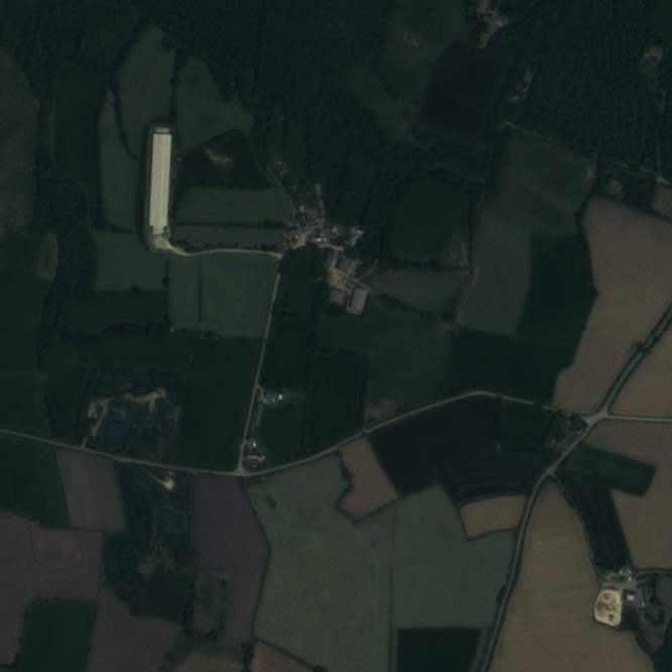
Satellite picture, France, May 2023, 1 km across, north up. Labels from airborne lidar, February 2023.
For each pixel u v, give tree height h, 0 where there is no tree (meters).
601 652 0
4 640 0
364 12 11
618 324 0
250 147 0
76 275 12
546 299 0
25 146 0
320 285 8
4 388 0
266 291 0
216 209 0
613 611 0
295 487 0
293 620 0
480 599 0
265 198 0
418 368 0
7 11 17
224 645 0
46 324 8
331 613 0
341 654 0
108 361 0
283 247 5
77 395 0
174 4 19
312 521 0
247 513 0
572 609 0
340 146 0
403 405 0
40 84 24
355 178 0
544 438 6
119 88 8
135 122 0
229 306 0
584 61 11
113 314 0
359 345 0
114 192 0
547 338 0
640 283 0
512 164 0
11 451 0
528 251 0
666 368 0
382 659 0
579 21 13
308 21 15
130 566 6
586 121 13
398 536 0
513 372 0
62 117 0
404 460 0
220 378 0
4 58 0
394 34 0
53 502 0
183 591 0
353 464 0
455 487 0
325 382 0
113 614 0
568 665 0
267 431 0
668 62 13
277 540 0
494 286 0
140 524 7
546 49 17
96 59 0
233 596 0
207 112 0
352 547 0
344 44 10
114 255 0
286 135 9
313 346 12
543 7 17
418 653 0
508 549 0
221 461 0
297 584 0
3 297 0
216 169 0
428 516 0
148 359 0
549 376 0
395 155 9
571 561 0
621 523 0
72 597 0
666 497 0
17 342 0
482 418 0
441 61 0
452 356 0
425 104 0
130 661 0
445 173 16
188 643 0
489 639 0
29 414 0
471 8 9
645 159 11
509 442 0
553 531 0
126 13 0
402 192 19
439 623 0
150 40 0
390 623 0
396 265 14
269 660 0
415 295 0
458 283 0
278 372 0
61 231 10
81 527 0
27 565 0
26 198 0
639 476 0
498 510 0
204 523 0
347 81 0
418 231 0
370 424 0
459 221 0
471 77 0
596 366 0
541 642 0
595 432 0
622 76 16
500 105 11
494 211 0
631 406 0
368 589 0
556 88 11
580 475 6
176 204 0
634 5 14
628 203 7
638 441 0
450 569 0
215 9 21
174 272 0
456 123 0
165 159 0
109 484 0
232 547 0
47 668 0
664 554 0
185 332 7
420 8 0
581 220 8
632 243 0
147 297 0
